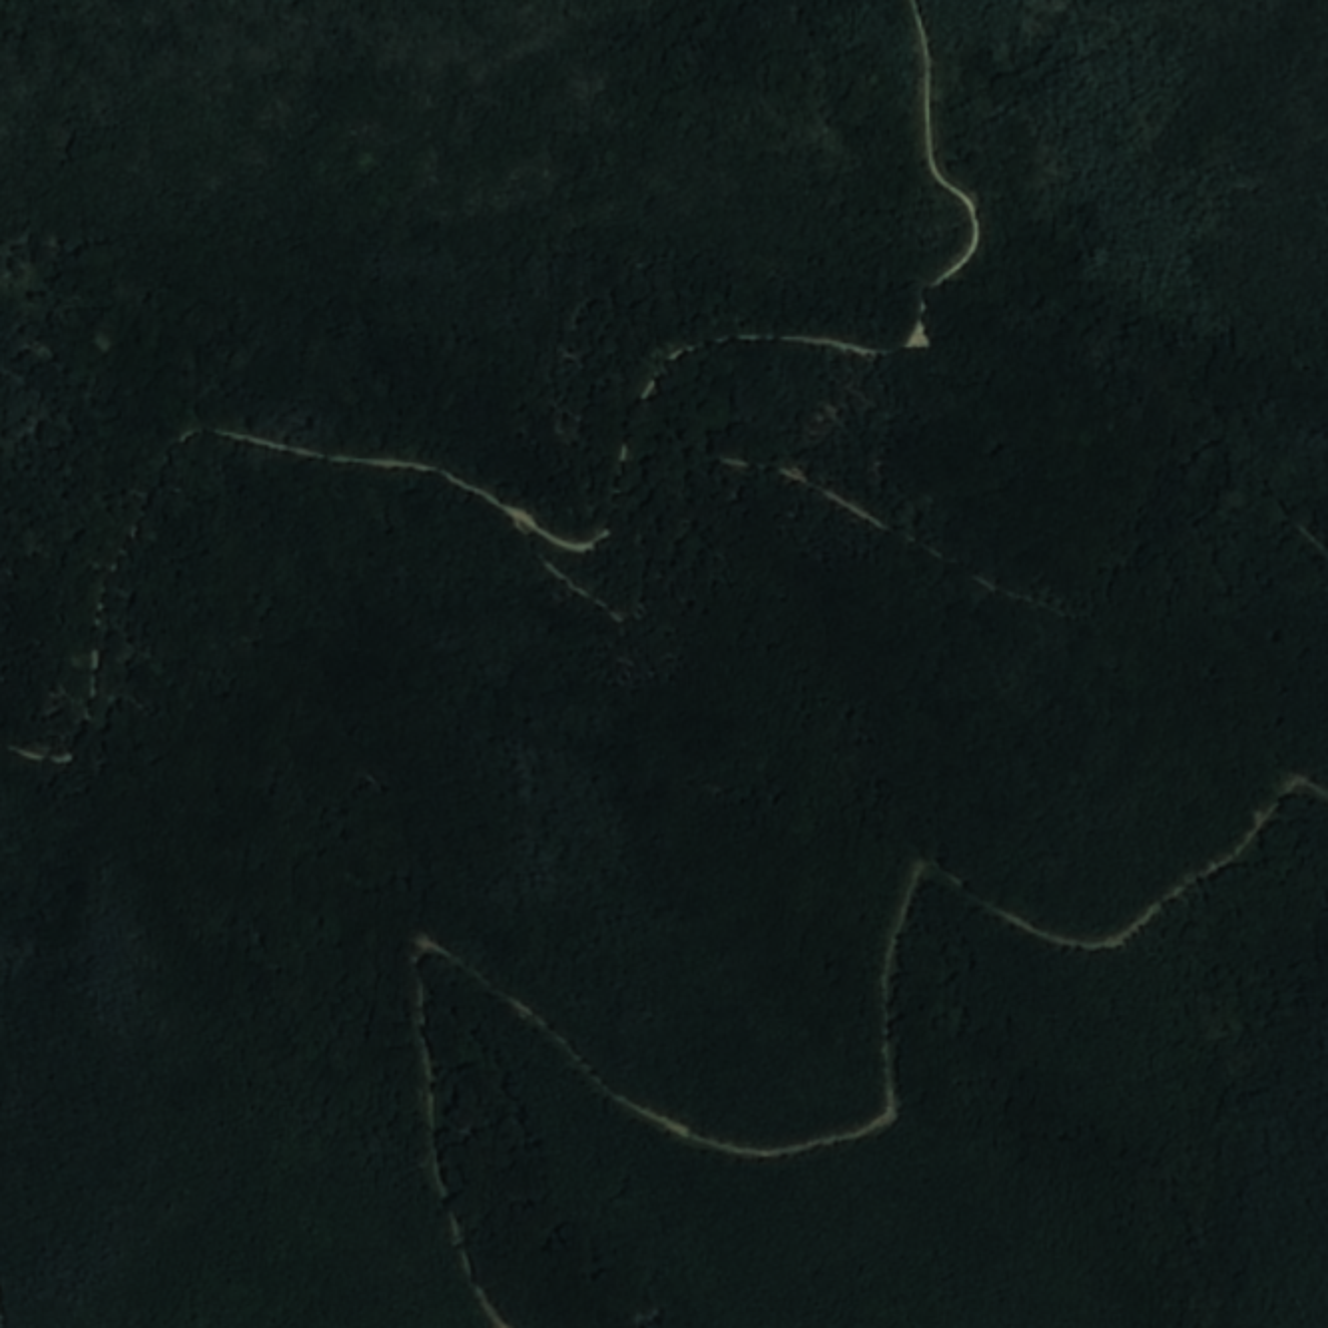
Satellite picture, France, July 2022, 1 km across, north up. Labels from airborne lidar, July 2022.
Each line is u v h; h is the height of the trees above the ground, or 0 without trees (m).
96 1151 11
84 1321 10
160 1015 12
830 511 23
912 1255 19
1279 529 22
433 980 30
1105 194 13
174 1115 16
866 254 11
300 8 12
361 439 16
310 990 25
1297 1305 16
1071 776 15
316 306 16
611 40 10
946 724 18
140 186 8
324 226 17
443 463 16
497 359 10
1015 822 14
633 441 24
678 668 24
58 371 27
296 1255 18
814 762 31
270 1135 18
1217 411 20
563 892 14
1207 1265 28
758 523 32
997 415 21
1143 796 14
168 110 10
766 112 9
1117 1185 22
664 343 21
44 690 23
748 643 33
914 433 22
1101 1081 21
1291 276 8
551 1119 22
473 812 16
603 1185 22
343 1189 15
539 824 8
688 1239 20
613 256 21
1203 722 29
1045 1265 12
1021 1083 27
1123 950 15
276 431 20
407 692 21
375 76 10
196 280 20
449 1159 31
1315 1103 17
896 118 14
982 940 26
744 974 14
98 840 17
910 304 14
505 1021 29
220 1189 16
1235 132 8
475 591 16
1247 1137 18
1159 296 12
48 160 15
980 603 7
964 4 14
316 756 26
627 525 18
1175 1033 21
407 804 25
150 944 15
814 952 25
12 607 23
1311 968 26
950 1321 16
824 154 12
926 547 9
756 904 24
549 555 10
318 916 21
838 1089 15
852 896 27
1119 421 26
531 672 18
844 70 11
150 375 20
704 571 29
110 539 23
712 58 18
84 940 16
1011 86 9
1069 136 14
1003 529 16
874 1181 14
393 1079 28
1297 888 24
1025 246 17
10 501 19
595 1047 17
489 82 7
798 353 18
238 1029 22
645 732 14
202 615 26
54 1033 16
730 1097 16
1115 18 7
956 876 30
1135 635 26
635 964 13
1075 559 20
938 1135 15
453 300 19
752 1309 14
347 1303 18
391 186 12
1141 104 12
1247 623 26
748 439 20
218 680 21
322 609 15
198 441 15
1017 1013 23
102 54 9
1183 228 14
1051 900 19
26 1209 16
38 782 17
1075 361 24
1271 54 7
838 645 29
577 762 11
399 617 20
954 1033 25
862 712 27
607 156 15
